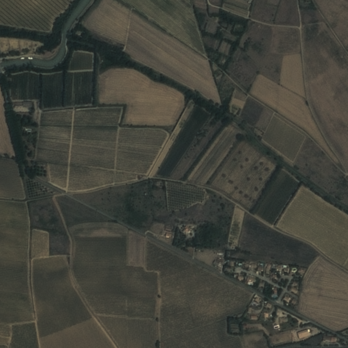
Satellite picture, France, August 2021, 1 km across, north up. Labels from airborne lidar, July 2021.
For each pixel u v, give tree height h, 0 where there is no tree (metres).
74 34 12
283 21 0
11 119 26
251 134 0
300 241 0
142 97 0
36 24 0
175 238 9
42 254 0
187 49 0
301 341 8
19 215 0
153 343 0
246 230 0
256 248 0
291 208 0
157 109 0
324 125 0
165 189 10
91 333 0
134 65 12
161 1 0
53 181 0
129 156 0
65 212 0
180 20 0
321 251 0
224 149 0
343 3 0
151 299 0
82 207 0
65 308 0
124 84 0
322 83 0
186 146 0
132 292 0
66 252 0
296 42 0
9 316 0
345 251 0
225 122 21
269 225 0
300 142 0
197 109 0
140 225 0
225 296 0
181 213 0
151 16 0
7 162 0
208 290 0
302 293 0
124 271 0
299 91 0
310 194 0
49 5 0
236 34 6
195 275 0
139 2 0
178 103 0
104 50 19
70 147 0
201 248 16
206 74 0
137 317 0
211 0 0
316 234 0
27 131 10
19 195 0
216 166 0
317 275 0
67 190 0
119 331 0
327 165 0
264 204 0
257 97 0
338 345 6
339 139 0
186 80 0
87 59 0
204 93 0
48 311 0
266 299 9
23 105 0
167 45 0
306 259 0
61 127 0
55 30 13
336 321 0
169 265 0
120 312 0
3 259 0
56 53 0
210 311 0
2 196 0
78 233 0
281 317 0
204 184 0
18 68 21
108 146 0
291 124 0
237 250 13
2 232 0
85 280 0
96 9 0
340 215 0
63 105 11
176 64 0
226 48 0
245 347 0
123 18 0
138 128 0
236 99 0
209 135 0
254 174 0
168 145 0
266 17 0
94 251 0
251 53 0
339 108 0
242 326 9
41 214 0
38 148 0
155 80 10
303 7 6
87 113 0
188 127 0
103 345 0
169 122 0
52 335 0
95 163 0
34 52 8
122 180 0
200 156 6
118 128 0
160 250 0
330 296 0
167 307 0
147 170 0
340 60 0
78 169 0
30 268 0
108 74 0
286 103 0
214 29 0
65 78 16
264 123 0
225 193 0
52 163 0
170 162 0
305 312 0
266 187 14
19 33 16
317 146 0
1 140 0
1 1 0
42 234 0
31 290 0
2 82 20
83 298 0
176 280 0
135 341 0
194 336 0
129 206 6
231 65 0
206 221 7
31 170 18
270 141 0
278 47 0
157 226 0
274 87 0
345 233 0
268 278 0
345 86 0
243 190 0
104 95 0
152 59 0
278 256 0
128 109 0
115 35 0
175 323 0
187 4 0
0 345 0
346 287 0
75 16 0
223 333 0
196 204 0
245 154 0
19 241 0
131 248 0
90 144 0
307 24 0
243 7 0
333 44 0
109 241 0
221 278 0
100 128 0
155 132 0
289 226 0
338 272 0
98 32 0
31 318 0
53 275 0
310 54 0
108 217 0
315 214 0
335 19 0
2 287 0
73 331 0
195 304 0
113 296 0
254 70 0
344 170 0
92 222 0
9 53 8
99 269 0
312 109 0
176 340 0
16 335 0
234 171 0
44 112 0
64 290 0
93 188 0
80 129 0
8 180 0
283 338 0
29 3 0
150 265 0
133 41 0
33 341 0
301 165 0
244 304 0
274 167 0
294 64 0
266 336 8
